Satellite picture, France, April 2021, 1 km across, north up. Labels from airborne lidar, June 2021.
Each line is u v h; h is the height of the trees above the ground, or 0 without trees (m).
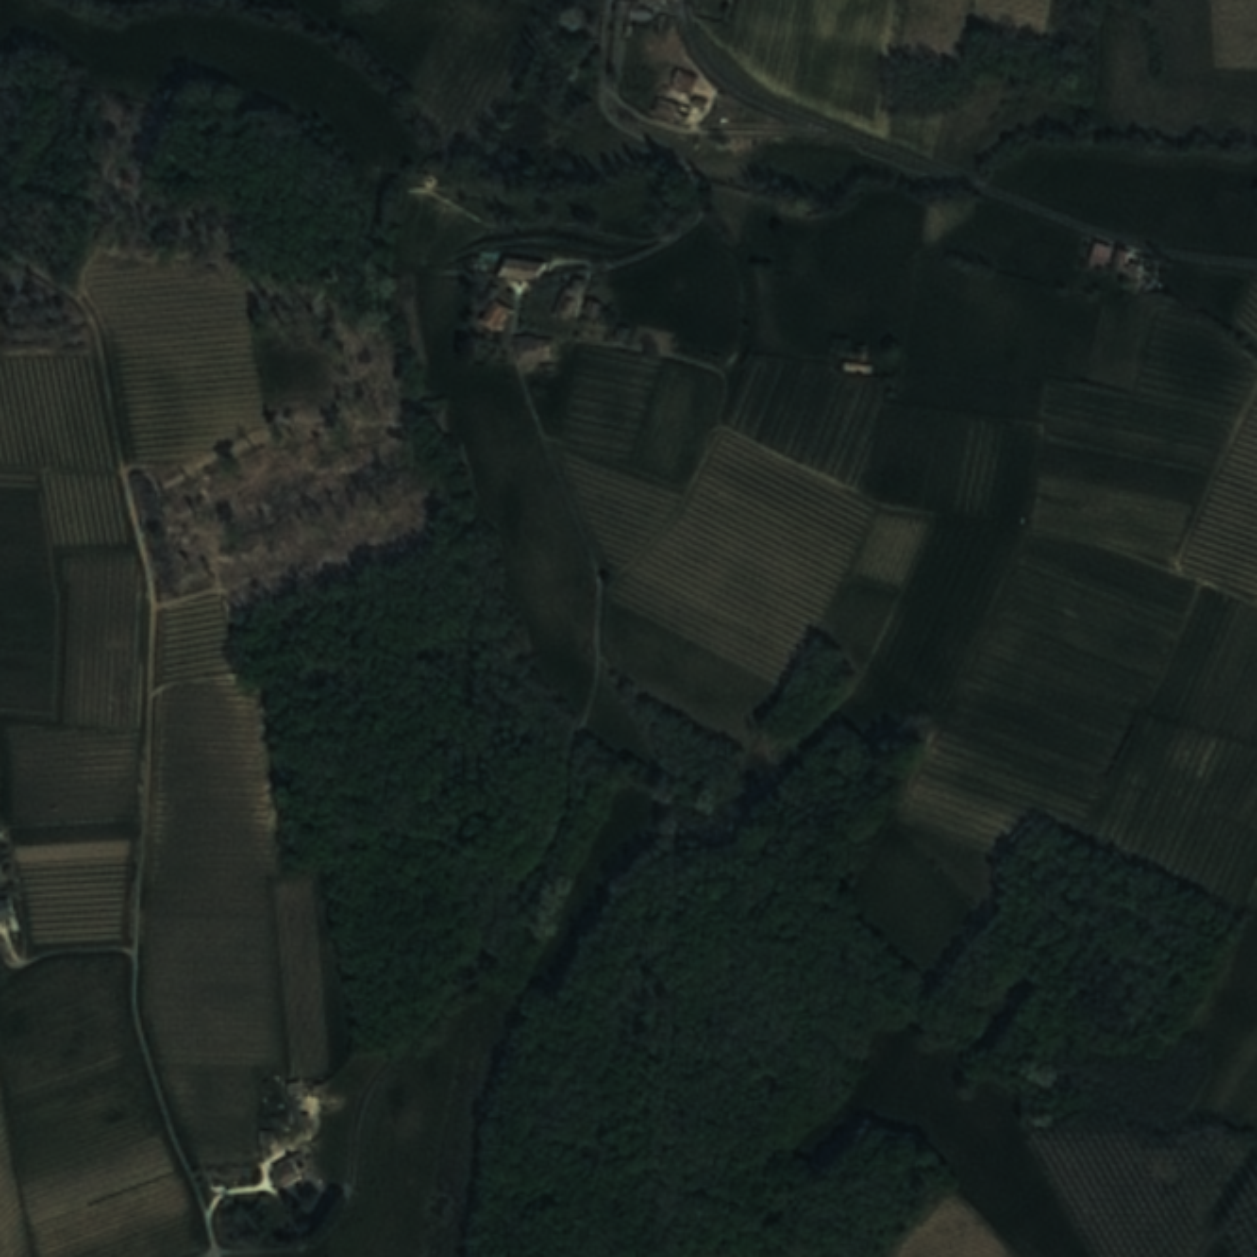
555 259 0
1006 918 22
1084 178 0
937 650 0
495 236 0
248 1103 0
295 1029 0
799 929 23
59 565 0
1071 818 0
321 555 0
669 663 0
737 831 20
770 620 0
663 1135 16
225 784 0
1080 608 0
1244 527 0
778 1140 25
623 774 23
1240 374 0
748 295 0
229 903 0
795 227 0
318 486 0
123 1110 0
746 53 0
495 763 20
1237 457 0
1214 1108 0
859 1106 0
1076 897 22
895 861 0
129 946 0
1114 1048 22
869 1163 22
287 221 21
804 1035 23
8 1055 0
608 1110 16
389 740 23
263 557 0
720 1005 19
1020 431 0
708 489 0
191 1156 0
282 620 16
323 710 21
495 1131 23
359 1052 9
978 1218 0
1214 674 0
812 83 0
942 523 0
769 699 0
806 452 0
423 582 22
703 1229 24
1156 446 0
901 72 19
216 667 0
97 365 0
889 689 0
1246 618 0
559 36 19
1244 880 0
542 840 21
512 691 21
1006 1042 22
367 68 13
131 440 0
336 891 21
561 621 0
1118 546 0
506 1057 14
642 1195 18
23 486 0
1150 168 0
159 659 0
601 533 0
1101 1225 21
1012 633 0
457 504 20
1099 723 0
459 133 0
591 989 17
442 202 0
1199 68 0
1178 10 0
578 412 0
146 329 0
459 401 0
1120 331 0
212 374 0
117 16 15
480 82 0
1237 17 0
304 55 0
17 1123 0
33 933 0
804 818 21
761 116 0
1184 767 0
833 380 0
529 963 24
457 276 0
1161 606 0
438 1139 0
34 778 0
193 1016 0
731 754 18
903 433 0
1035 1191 0
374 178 0
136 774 0
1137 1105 21
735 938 20
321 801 23
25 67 26
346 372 15
